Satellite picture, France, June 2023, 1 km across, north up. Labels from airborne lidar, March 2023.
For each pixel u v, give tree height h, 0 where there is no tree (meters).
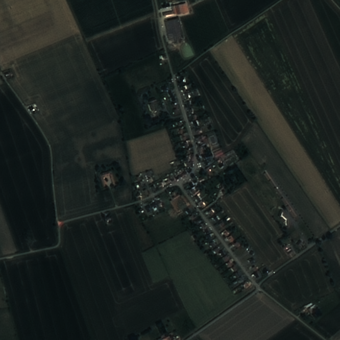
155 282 0
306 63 0
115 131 0
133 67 0
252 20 0
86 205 0
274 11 0
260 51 0
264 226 0
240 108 0
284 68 0
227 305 0
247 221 0
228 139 0
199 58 0
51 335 0
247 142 0
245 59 0
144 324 0
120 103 0
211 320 0
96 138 0
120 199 0
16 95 0
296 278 0
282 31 0
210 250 7
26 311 0
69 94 0
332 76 0
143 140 0
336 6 0
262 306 0
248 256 0
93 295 0
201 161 0
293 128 0
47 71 0
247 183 0
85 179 0
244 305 0
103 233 0
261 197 0
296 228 0
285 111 0
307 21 0
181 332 0
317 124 0
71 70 0
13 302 0
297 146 0
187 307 0
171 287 0
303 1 0
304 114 0
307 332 0
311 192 0
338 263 0
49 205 0
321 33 0
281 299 0
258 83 0
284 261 0
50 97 0
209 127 7
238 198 0
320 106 0
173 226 0
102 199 0
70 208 0
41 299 0
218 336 0
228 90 0
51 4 0
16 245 0
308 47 0
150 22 0
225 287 0
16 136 0
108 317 0
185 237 0
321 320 0
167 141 0
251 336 0
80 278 0
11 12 0
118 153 0
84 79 0
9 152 0
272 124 0
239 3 0
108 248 0
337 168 0
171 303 0
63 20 0
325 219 0
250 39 0
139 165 0
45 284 0
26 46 0
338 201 0
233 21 0
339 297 0
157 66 0
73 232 0
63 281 0
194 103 13
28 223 0
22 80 0
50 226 0
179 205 0
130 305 0
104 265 0
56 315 0
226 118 0
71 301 0
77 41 0
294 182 0
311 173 0
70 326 0
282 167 0
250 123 0
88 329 0
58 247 0
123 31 0
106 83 7
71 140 0
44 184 0
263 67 0
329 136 0
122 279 0
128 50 0
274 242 0
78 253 0
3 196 0
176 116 0
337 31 0
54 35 0
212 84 0
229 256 0
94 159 0
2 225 0
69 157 0
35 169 0
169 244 0
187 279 0
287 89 0
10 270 0
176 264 0
